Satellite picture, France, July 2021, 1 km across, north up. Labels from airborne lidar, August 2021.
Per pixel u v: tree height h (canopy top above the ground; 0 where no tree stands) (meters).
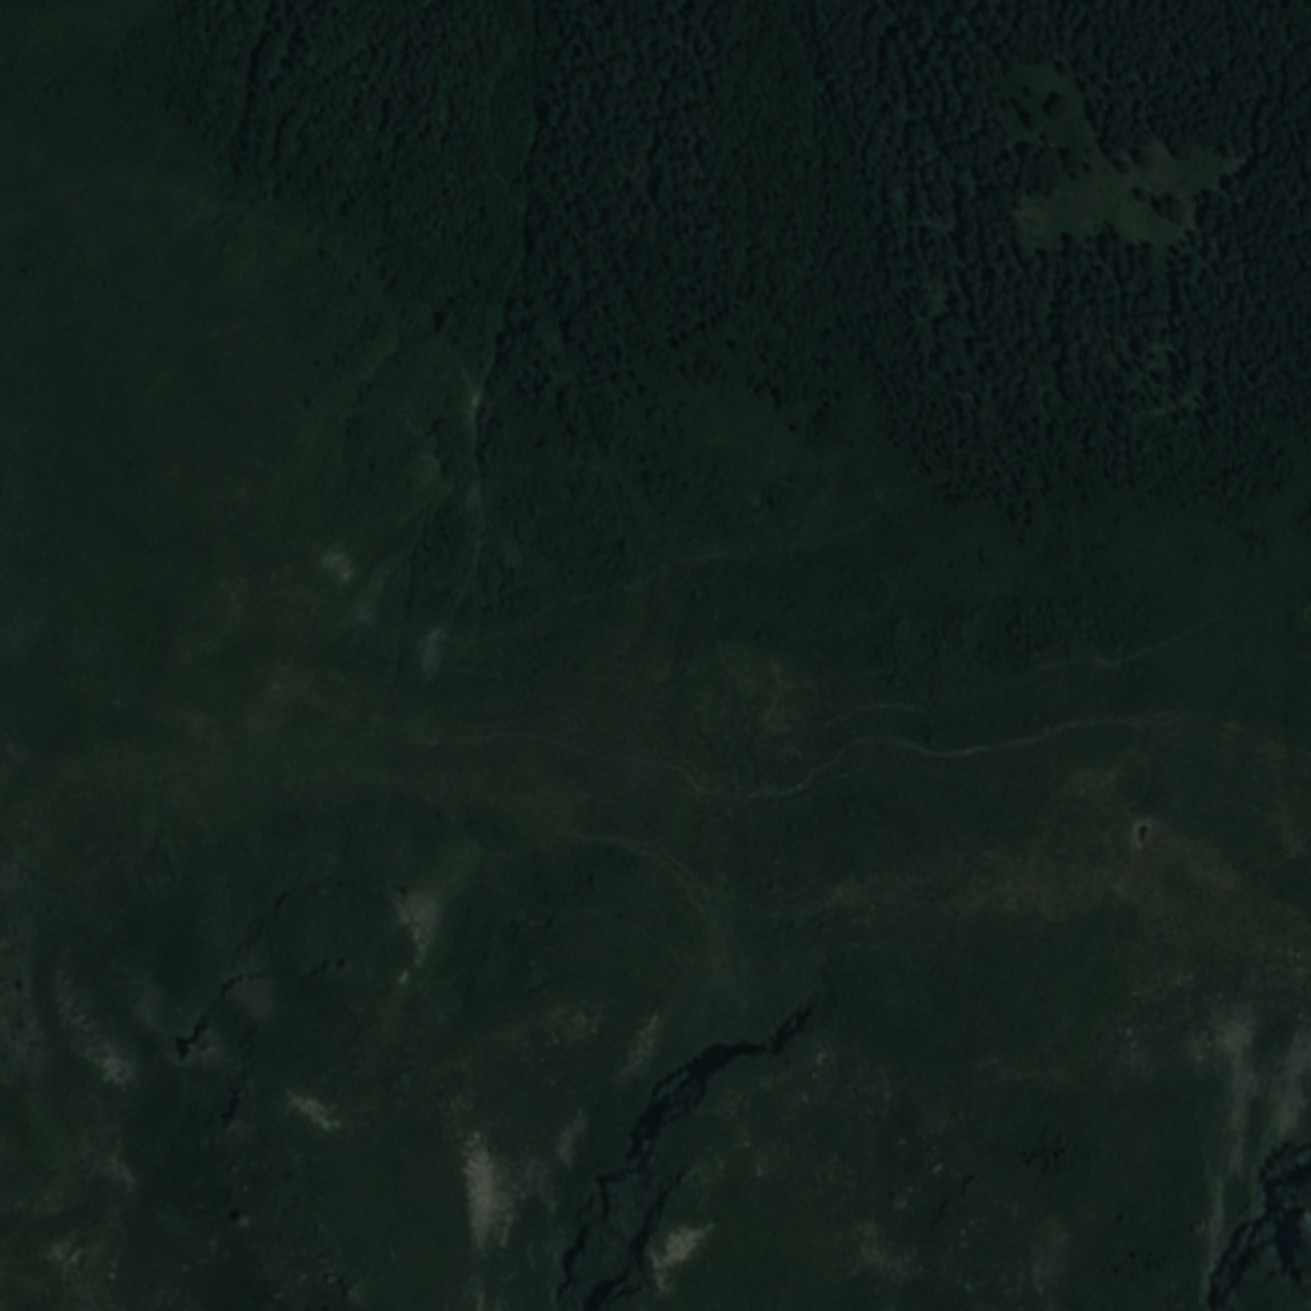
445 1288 0
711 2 23
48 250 0
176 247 0
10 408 0
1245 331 20
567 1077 0
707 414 0
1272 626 0
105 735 0
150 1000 0
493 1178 0
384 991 0
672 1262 0
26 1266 0
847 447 0
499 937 0
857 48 25
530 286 7
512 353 7
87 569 0
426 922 0
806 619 0
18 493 0
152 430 0
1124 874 0
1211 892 0
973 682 0
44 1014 0
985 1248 0
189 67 7
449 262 14
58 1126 0
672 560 0
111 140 0
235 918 0
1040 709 0
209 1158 0
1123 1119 0
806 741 0
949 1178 0
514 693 0
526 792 0
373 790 0
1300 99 21
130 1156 0
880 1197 0
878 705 0
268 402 0
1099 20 23
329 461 0
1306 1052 0
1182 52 18
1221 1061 0
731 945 0
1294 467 8
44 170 0
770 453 0
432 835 0
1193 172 0
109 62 0
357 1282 0
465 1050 0
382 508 0
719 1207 0
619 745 0
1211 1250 0
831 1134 0
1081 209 0
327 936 0
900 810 0
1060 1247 0
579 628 0
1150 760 0
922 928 0
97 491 0
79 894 0
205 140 8
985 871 0
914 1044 0
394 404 0
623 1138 0
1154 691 0
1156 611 0
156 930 0
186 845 0
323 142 17
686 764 0
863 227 10
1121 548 0
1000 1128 0
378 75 20
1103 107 16
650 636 0
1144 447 16
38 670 0
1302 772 0
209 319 0
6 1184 0
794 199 9
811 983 0
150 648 0
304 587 0
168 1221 0
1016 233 17
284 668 0
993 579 0
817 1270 0
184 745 0
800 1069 0
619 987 0
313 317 0
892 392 6
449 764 0
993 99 12
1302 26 21
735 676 0
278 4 20
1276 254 20
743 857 0
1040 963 0
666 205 17
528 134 9
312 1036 0
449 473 15
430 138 23
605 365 10
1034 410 24
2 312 0
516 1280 0
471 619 0
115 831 0
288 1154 0
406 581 0
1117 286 17
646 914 0
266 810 0
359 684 0
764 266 10
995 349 27
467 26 16
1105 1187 0
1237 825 0
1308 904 0
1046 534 0
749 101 14
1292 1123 0
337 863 0
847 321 11
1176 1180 0
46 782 0
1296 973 0
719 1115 0
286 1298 0
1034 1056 0
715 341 8
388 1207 0
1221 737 0
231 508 0
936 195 25
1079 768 0
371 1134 0
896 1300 0
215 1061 0
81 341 0
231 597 0
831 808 0
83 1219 0
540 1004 0
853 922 0
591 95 10
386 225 8
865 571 0
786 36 16
